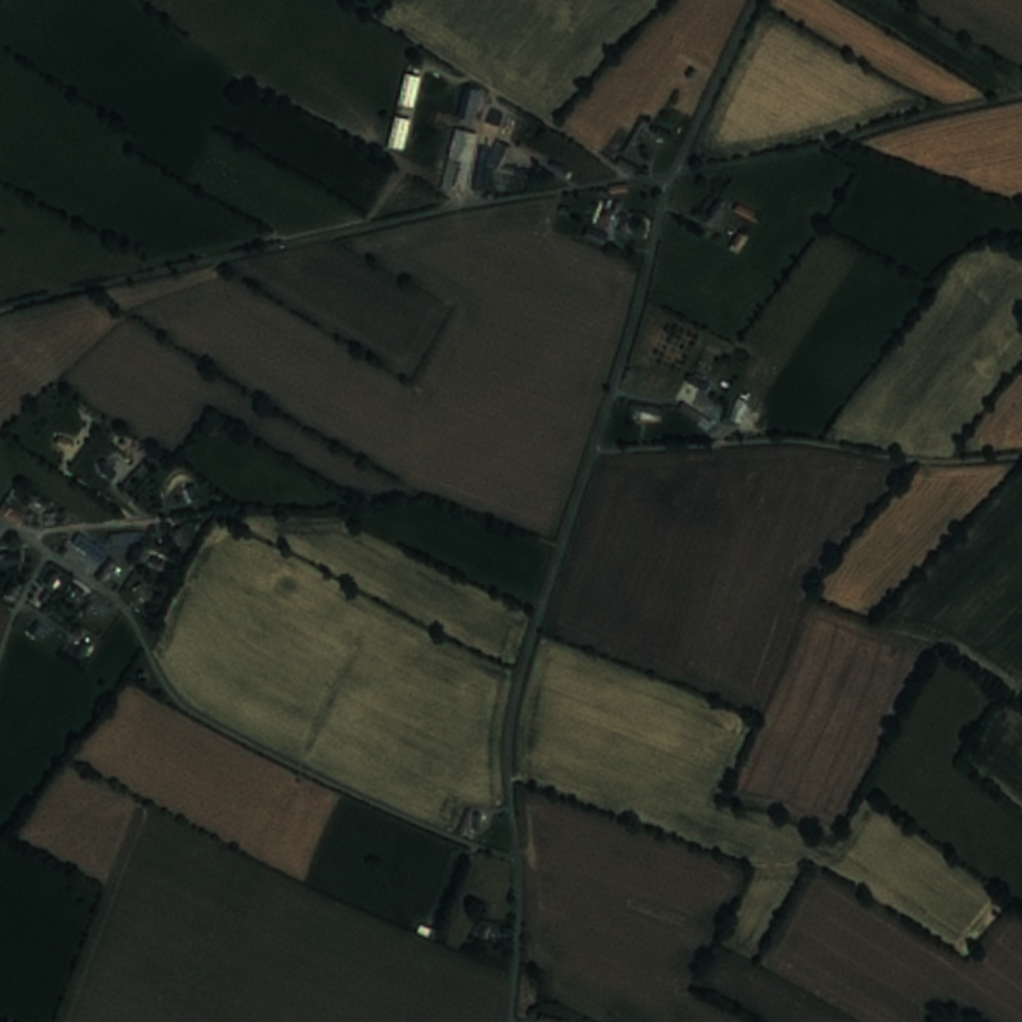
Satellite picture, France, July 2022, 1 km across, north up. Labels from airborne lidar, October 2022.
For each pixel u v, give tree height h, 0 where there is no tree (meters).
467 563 0
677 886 0
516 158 0
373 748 0
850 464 0
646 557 0
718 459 0
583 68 0
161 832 0
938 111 0
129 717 0
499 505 0
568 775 0
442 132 0
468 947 7
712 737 0
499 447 0
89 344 0
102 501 8
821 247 0
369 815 0
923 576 12
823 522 0
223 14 0
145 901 0
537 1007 6
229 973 0
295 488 0
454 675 0
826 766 0
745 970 0
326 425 0
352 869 0
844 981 0
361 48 0
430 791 0
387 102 0
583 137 0
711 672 0
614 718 0
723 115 0
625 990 0
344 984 0
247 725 0
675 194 0
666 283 0
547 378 0
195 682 0
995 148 0
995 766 0
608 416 0
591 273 0
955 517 0
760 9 12
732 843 0
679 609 0
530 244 0
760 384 0
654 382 0
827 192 0
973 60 0
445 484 0
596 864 0
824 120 0
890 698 0
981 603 0
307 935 0
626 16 0
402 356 0
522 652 0
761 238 0
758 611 0
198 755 0
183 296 0
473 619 0
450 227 0
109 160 0
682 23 0
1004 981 0
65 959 0
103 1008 0
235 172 0
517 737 0
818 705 0
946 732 0
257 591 0
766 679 0
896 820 16
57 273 0
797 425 0
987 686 18
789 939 0
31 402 17
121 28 0
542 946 0
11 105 0
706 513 0
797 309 0
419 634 0
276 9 0
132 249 16
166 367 0
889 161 10
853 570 0
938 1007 17
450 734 0
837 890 0
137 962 0
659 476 0
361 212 7
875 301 0
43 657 0
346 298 0
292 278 0
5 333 0
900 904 0
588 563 0
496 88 0
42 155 0
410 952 0
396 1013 0
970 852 0
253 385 0
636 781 0
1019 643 0
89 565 0
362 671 0
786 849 0
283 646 0
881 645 0
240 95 16
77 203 0
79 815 0
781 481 0
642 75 0
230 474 0
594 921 0
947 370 0
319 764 0
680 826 0
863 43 0
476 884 0
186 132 0
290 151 0
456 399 0
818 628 0
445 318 0
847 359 0
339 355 0
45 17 0
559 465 0
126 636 0
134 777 0
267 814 0
